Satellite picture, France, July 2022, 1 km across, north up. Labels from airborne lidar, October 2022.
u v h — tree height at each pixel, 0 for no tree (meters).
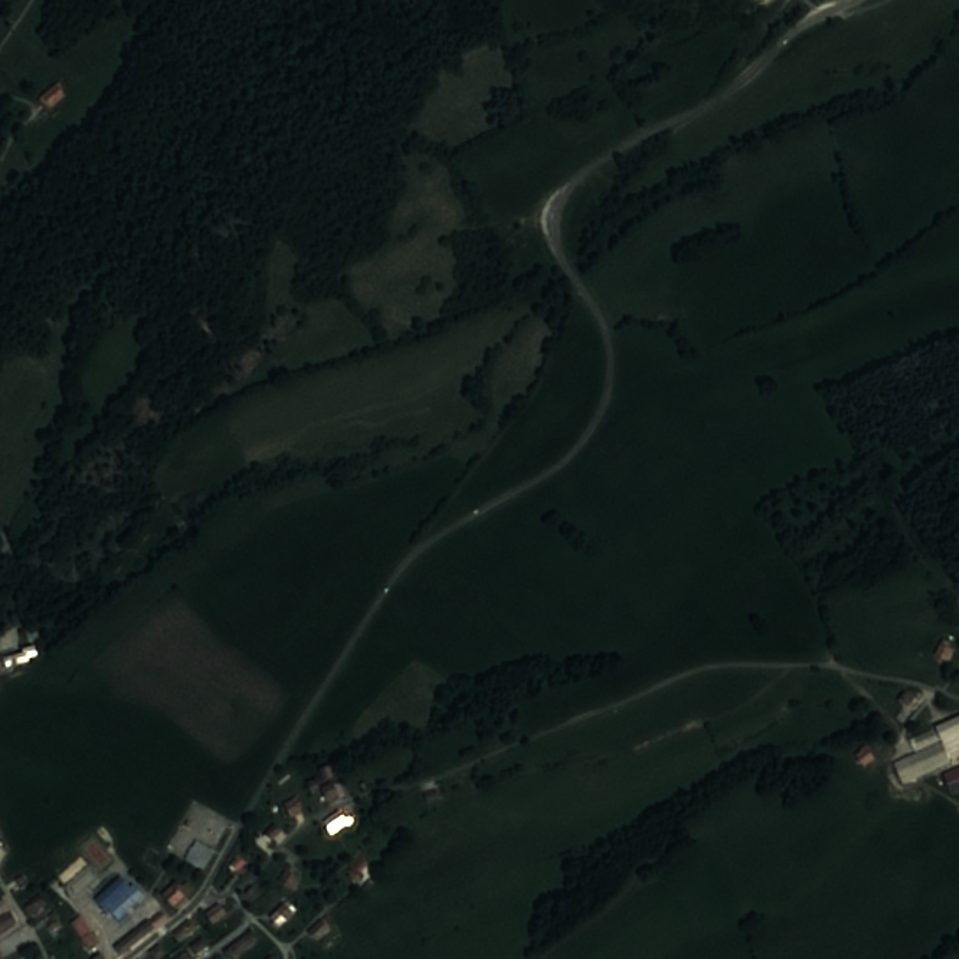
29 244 18
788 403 0
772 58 0
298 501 0
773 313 0
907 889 0
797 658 0
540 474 0
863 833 0
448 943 0
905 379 20
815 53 0
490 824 0
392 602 0
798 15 15
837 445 0
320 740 0
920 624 0
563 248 0
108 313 11
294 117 26
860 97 14
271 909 0
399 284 0
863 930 0
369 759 17
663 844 12
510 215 0
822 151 0
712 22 7
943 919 0
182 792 0
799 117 12
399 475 0
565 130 0
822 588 6
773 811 0
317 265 7
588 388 0
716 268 0
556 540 0
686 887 0
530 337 0
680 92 0
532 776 0
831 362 0
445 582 0
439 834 0
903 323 0
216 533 0
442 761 0
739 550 0
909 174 0
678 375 0
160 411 13
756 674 0
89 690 0
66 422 21
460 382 0
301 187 12
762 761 19
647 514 0
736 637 0
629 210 14
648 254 0
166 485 0
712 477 0
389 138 17
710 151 0
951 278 0
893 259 15
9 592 14
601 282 0
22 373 0
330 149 17
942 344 23
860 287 10
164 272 18
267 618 0
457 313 5
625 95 14
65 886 6
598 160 0
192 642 0
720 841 0
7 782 0
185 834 0
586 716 0
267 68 20
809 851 0
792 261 0
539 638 0
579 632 0
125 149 23
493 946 0
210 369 13
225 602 0
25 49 0
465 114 0
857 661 0
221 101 26
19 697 0
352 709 0
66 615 12
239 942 0
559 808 0
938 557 6
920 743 0
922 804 0
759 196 0
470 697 24
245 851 9
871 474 22
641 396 0
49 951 0
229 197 19
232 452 0
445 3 16
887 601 0
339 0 17
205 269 8
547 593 0
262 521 0
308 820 0
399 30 20
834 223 0
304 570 0
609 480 0
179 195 24
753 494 0
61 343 0
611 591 0
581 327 0
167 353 17
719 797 16
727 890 0
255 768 0
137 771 0
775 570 0
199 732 0
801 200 0
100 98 0
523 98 11
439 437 0
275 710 0
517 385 0
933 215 0
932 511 26
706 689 0
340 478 18
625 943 0
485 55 0
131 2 22
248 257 7
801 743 0
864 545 21
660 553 0
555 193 0
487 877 0
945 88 0
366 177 9
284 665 0
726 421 0
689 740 0
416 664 0
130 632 0
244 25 21
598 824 0
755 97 0
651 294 0
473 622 0
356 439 0
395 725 19
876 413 17
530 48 7
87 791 0
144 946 0
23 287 17
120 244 15
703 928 0
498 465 0
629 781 0
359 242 18
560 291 13
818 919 0
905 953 0
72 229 22
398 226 0
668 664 0
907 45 0
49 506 16
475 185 7
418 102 12
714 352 0
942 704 15
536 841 0
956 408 20
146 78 20
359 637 0
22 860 0
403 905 0
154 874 0
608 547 0
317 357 0
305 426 0
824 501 6
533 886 0
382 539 0
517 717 19
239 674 0
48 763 0
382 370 0
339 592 0
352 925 0
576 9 0
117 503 14
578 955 0
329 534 0
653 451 0
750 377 0
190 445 0
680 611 0
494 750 0
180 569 0
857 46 0
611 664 17
